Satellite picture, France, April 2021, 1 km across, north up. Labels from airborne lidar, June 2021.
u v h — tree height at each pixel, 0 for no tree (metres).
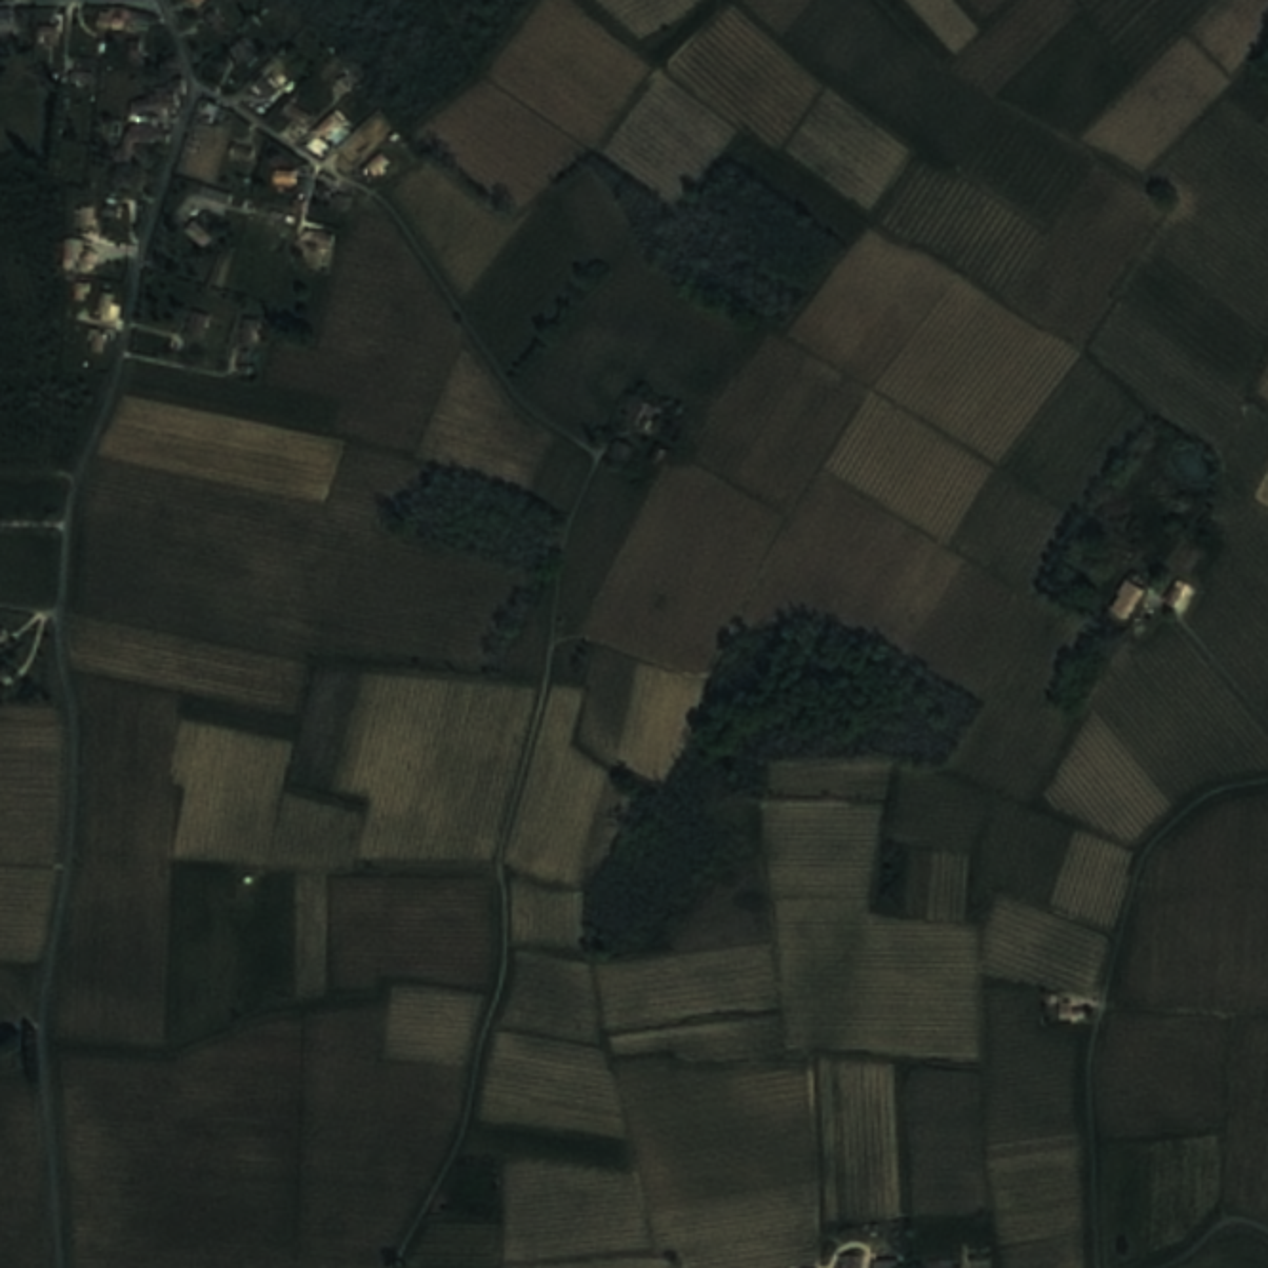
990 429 0
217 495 0
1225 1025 0
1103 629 9
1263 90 0
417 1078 0
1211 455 12
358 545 0
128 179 13
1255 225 0
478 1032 0
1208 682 0
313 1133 0
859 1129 0
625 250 0
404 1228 0
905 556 0
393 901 0
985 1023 0
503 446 0
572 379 0
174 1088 0
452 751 0
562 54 0
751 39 0
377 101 7
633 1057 0
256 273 0
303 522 0
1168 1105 0
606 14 0
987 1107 0
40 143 0
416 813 0
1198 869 0
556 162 0
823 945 0
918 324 0
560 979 0
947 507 0
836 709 24
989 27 0
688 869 17
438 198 0
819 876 0
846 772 0
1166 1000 0
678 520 0
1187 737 0
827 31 0
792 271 23
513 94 0
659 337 0
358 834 0
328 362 0
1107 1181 0
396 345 0
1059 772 0
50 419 6
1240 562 0
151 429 0
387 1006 0
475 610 0
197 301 0
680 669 0
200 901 0
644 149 0
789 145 0
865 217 0
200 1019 0
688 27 0
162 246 11
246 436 0
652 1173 0
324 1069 0
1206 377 0
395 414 0
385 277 0
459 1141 0
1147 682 0
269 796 0
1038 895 0
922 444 0
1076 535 12
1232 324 0
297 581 0
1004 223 0
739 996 0
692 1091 0
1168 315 0
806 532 0
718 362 0
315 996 0
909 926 0
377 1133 0
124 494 0
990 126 0
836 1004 0
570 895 0
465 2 7
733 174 14
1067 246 0
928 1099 0
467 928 0
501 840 0
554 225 0
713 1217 0
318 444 0
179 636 0
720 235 13
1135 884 0
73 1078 0
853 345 0
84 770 0
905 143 0
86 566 0
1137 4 0
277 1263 0
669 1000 0
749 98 0
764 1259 0
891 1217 0
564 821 0
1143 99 0
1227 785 0
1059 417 0
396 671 0
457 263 0
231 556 0
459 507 17
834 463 0
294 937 0
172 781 0
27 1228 0
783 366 0
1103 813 0
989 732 0
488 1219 0
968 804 0
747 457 0
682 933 0
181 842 0
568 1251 0
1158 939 0
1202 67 0
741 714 24
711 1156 0
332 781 0
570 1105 0
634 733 0
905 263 0
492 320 0
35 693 9
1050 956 0
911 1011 0
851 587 0
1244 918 0
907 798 0
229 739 0
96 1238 0
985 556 0
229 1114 0
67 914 0
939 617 0
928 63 0
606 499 0
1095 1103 0
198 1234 0
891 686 26
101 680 0
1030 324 0
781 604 0
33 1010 0
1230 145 0
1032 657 0
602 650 0
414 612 0
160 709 0
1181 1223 0
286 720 0
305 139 0
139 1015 0
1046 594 18
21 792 0
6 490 0
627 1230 0
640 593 0
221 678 0
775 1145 0
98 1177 0
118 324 0
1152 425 9
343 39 9
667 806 22
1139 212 0
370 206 0
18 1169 0
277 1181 0
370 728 0
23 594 0
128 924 0
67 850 0
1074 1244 0
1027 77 0
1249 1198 0
